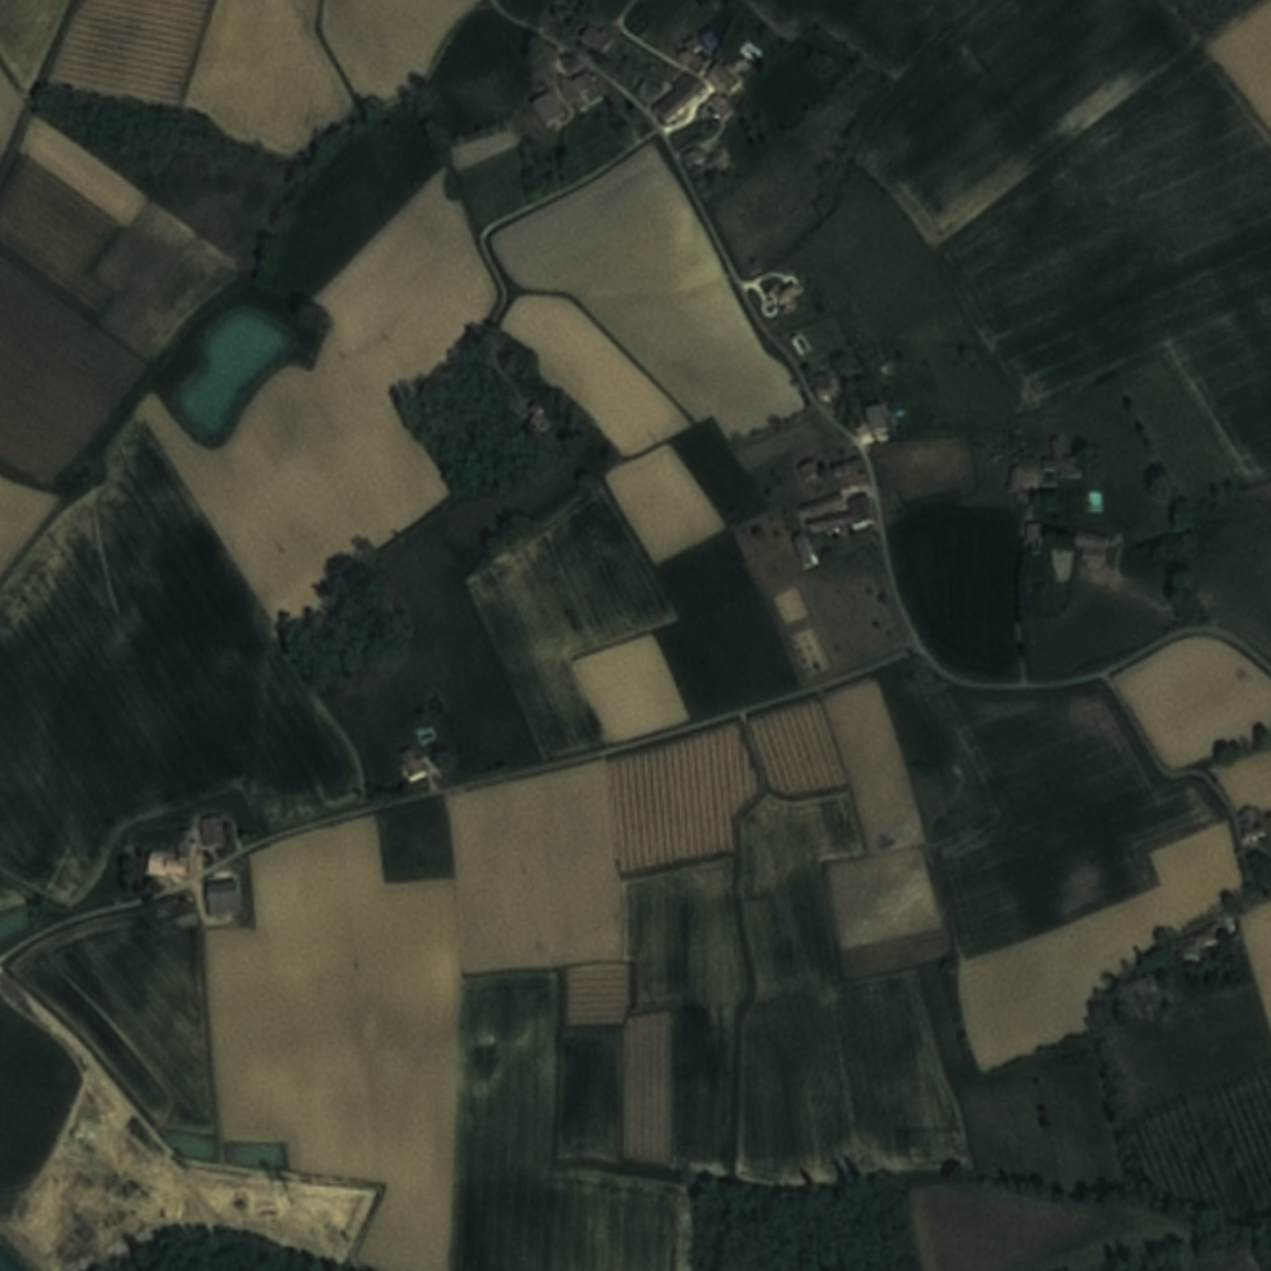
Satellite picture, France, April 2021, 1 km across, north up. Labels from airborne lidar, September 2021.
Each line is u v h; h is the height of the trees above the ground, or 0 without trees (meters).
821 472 8
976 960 0
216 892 0
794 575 0
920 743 0
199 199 0
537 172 11
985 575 0
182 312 0
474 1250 0
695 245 0
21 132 0
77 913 0
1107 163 0
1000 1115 0
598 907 0
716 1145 0
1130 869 0
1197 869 0
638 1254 0
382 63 0
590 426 14
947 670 0
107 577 0
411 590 0
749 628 0
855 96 7
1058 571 0
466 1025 0
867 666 0
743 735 0
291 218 12
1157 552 7
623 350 0
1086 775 0
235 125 0
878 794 0
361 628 19
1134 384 0
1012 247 0
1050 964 0
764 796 0
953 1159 0
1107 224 0
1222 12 19
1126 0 0
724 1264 17
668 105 0
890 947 0
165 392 0
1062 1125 0
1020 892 0
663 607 0
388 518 0
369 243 0
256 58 0
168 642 0
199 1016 0
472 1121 0
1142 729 0
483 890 0
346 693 0
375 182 0
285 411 0
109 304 0
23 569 0
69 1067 0
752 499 0
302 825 0
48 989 0
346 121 0
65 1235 0
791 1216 22
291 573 0
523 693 0
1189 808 0
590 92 0
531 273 0
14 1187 0
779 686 0
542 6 0
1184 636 0
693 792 0
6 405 0
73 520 0
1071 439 0
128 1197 0
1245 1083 10
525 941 0
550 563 0
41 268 0
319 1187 0
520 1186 0
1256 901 14
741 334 0
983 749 0
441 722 0
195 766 0
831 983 0
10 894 0
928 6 0
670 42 0
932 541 0
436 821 0
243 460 0
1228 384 0
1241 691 0
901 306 0
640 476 0
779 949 0
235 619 0
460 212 0
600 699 0
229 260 0
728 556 0
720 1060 0
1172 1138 20
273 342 0
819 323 0
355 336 0
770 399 0
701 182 8
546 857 0
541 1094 0
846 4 0
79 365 0
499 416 22
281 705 0
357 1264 0
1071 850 0
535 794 0
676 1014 0
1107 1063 15
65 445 0
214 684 0
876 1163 0
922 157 0
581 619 0
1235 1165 18
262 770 0
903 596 0
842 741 0
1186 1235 0
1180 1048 0
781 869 0
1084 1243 0
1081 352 0
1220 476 0
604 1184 0
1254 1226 14
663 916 0
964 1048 11
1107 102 0
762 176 0
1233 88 0
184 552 0
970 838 0
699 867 0
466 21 0
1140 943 0
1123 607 0
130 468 0
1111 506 0
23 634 0
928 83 0
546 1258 0
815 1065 0
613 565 0
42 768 0
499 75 0
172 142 18
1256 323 0
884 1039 0
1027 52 0
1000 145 0
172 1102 0
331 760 0
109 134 13
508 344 5
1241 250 0
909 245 0
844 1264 20
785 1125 0
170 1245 18
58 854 0
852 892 0
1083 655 0
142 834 0
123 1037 0
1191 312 0
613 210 0
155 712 0
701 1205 21
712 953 0
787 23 0
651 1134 0
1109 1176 0
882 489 0
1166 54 0
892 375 0
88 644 0
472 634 0
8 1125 0
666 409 0
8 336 0
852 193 0
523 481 16
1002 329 0
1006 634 0
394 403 0
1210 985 10
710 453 0
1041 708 0
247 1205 0
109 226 0
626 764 0
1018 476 0
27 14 0
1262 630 0
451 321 0
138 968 0
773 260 0
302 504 0
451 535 0
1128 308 0
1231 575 0
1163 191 0
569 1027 0
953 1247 0
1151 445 11
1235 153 0
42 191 0
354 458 0
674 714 0
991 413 0
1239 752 14
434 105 23
